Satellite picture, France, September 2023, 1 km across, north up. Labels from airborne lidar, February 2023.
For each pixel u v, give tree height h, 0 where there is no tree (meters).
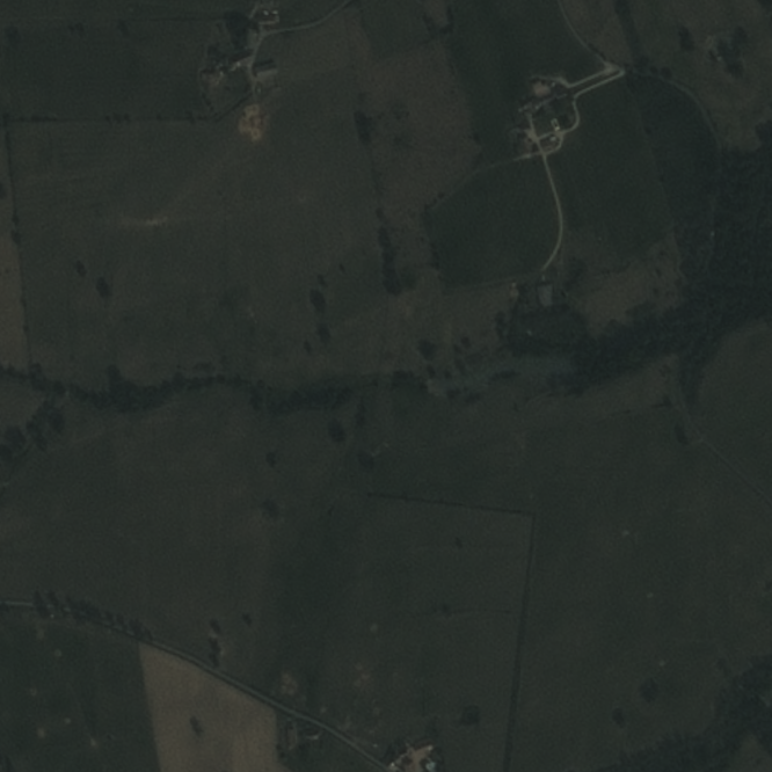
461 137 0
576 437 0
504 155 0
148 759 0
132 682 0
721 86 0
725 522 0
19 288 0
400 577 0
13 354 0
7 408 0
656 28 0
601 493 0
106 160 0
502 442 0
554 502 0
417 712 0
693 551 0
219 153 0
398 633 0
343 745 0
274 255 0
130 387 14
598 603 0
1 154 0
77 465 0
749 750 0
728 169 23
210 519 0
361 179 0
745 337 0
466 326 0
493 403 0
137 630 14
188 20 0
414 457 0
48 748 0
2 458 14
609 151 0
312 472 0
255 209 0
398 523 0
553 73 0
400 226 0
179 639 0
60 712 0
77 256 0
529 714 0
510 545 0
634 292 0
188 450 0
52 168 0
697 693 0
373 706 0
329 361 0
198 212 0
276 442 0
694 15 0
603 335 0
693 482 0
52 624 0
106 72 0
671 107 6
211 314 0
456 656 0
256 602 0
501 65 0
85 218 0
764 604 0
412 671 0
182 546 0
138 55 0
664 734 0
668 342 12
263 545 0
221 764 0
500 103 0
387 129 0
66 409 0
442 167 0
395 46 0
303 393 0
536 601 0
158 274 0
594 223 0
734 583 0
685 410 0
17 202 0
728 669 16
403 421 0
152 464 0
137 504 0
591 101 0
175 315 0
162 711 0
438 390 0
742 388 0
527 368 0
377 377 0
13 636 0
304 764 0
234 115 0
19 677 0
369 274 0
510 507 0
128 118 8
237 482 0
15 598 0
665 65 0
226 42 0
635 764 13
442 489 0
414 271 0
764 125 0
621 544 0
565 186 0
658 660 0
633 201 0
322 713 0
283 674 0
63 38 0
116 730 0
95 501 0
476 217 0
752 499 0
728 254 8
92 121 0
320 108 0
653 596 0
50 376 0
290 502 0
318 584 0
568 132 0
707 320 18
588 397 0
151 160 0
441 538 0
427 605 0
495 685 0
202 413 0
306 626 0
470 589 0
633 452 0
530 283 0
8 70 0
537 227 0
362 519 0
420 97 0
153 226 0
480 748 0
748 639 0
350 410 0
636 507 0
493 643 0
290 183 0
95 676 0
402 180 0
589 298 0
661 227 0
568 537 0
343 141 0
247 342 0
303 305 0
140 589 0
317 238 0
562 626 0
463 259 0
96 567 0
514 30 0
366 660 0
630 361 12
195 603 0
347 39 0
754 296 18
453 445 0
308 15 0
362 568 0
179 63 0
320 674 0
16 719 0
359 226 0
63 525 0
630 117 0
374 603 0
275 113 0
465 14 0
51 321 0
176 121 0
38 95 0
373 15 0
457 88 0
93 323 0
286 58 0
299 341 0
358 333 0
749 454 0
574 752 0
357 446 0
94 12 0
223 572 0
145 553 0
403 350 0
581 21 0
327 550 0
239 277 0
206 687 0
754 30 0
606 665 0
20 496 0
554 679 0
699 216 9
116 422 0
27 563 0
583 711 0
